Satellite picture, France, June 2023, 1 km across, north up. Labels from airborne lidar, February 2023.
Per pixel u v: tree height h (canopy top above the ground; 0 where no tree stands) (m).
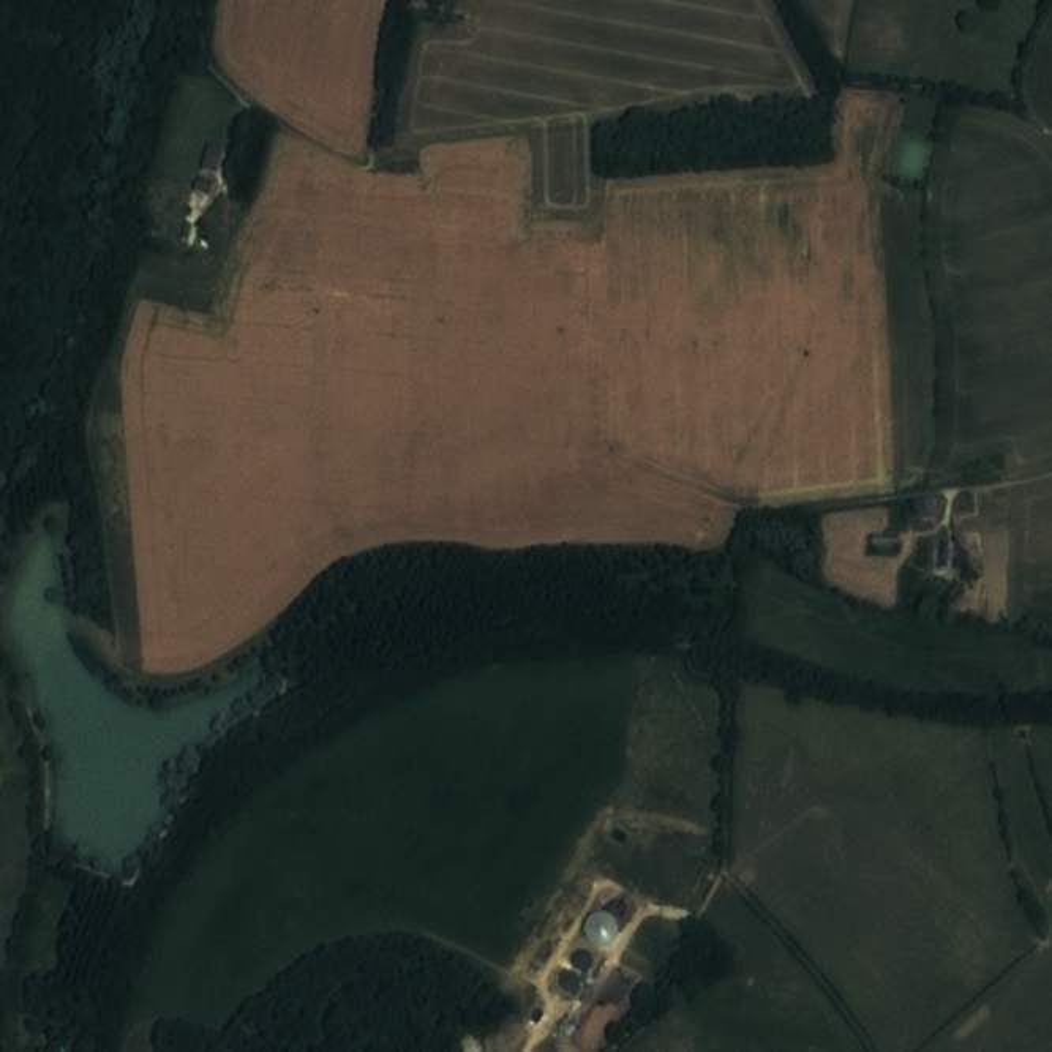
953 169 0
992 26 0
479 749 0
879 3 0
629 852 0
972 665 0
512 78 0
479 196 0
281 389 0
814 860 0
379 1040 23
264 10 0
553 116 0
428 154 0
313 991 22
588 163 0
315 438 0
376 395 0
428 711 0
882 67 0
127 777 0
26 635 0
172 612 0
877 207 0
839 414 0
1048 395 0
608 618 16
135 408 0
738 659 18
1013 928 0
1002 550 0
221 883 0
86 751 0
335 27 0
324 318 0
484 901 0
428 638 23
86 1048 14
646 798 0
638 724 0
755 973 0
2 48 14
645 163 20
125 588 0
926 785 0
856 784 0
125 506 0
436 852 0
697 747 0
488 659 14
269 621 0
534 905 0
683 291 0
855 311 0
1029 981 0
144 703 10
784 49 0
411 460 0
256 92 0
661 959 0
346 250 0
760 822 0
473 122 0
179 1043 19
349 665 14
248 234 0
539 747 0
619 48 0
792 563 13
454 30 0
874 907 0
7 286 7
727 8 0
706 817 0
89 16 8
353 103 0
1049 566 0
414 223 0
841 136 0
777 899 0
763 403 0
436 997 25
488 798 0
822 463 0
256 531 0
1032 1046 0
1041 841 0
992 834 0
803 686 18
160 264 0
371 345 0
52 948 0
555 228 0
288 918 0
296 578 0
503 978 0
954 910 0
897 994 0
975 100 11
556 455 0
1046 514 0
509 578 24
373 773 0
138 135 16
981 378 0
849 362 0
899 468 0
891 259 0
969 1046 0
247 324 0
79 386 8
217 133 0
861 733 0
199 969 0
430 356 0
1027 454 0
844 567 0
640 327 0
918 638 0
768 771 0
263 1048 23
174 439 0
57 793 0
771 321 0
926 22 0
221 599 0
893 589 0
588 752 0
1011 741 0
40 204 10
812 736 0
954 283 0
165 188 0
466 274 0
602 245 0
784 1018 0
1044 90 0
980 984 0
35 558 0
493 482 0
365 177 0
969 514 0
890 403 0
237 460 0
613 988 0
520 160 0
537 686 0
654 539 0
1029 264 0
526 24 0
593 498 0
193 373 0
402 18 16
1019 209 0
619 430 0
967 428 0
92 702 0
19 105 13
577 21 0
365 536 0
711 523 0
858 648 0
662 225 0
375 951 18
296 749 17
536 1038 0
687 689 0
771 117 24
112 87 24
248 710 15
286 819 0
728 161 20
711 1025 0
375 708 15
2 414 21
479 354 0
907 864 0
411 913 0
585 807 0
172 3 19
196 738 0
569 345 0
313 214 0
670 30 0
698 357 0
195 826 14
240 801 14
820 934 0
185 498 0
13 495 18
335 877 0
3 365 15
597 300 0
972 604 0
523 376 0
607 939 0
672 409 0
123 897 24
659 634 17
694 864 0
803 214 0
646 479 0
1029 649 0
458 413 0
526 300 0
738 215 0
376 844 0
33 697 0
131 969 16
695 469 0
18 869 0
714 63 0
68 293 6
